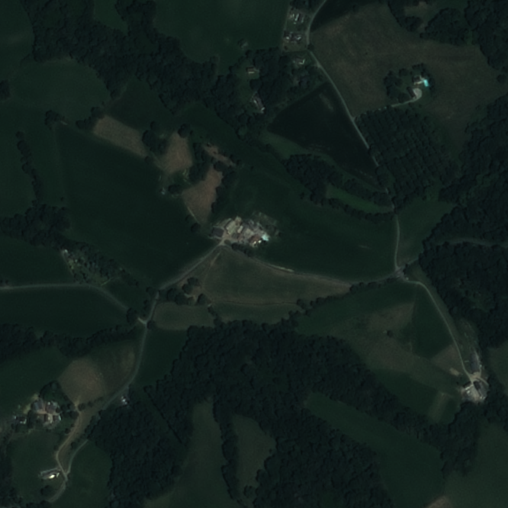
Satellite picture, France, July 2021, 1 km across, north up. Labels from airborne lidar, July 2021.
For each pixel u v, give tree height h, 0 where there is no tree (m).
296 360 26
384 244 0
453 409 0
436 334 0
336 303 0
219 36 0
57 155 0
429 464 0
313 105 0
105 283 6
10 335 26
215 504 0
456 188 22
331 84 0
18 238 14
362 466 21
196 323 0
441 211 0
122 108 0
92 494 0
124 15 11
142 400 14
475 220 31
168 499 0
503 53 19
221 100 30
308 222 0
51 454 0
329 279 0
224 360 29
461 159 7
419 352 0
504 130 24
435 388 0
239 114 28
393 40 0
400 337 0
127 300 0
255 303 0
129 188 0
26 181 0
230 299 0
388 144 18
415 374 0
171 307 0
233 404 30
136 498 28
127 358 0
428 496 0
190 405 19
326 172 31
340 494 9
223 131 0
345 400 25
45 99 0
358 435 0
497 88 0
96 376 0
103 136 0
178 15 0
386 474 0
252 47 0
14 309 0
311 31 0
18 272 0
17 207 0
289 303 0
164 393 13
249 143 22
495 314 25
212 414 0
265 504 27
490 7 27
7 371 0
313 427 23
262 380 20
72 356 11
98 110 17
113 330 15
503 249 24
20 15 0
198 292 0
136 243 0
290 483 15
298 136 0
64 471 0
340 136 0
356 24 0
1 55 0
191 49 0
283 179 0
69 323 0
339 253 0
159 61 28
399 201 22
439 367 0
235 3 0
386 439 0
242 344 24
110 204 0
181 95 22
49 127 12
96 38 21
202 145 13
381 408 23
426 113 0
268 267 0
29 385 0
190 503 0
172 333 0
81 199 0
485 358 7
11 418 0
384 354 0
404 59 0
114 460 8
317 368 24
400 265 0
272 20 0
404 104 14
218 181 0
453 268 31
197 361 20
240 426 0
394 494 0
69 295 0
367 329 0
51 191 0
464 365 0
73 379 0
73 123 0
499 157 25
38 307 0
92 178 0
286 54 6
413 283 0
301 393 16
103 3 0
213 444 0
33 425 14
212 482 0
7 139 0
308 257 0
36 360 0
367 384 22
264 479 20
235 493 20
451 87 0
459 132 0
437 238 28
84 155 0
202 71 13
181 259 0
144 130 0
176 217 0
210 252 0
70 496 0
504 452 0
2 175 0
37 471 0
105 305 0
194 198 0
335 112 0
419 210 0
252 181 0
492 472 0
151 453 8
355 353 6
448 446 24
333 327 0
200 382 17
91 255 17
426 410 0
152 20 11
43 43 24
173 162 0
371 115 14
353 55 0
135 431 23
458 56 0
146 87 0
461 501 0
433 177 15
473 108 0
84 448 0
